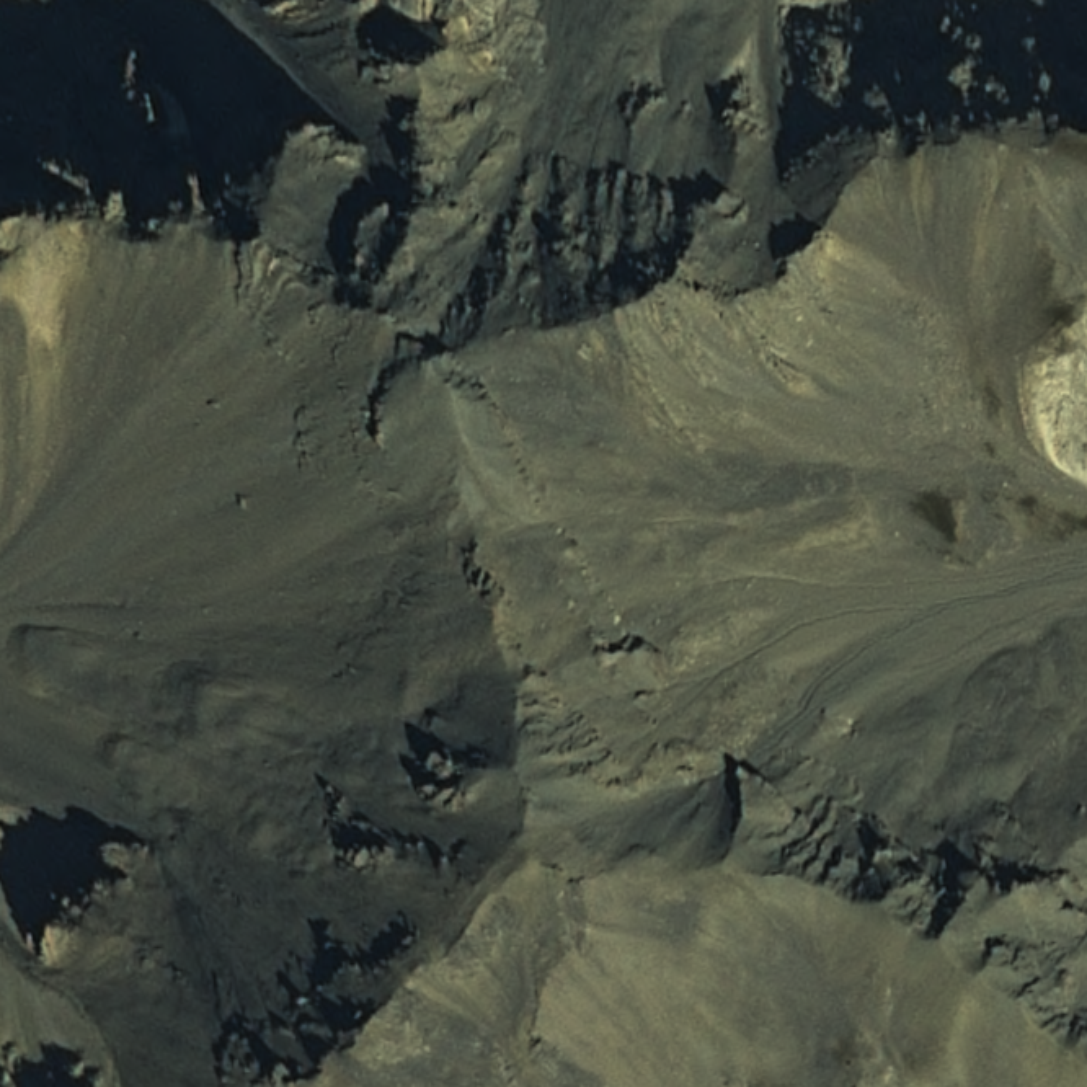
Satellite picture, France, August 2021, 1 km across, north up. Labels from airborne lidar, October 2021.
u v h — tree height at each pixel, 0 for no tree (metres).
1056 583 0
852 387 0
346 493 0
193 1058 0
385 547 0
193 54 0
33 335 0
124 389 0
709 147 0
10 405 0
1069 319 0
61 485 0
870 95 0
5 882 0
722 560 0
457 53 0
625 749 0
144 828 0
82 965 0
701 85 0
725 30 0
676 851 0
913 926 0
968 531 0
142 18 0
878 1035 0
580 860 0
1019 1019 0
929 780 0
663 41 0
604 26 0
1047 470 0
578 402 0
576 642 0
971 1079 0
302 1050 0
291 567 0
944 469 0
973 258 0
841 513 0
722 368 0
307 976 0
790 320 0
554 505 0
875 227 0
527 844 0
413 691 0
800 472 0
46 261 0
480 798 0
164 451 0
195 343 0
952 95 0
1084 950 0
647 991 0
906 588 0
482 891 0
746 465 0
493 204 0
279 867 0
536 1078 0
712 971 0
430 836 0
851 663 0
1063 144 0
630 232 0
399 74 0
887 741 0
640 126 0
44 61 0
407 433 0
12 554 0
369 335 0
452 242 0
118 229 0
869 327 0
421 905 0
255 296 0
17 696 0
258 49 0
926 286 0
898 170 0
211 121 0
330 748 0
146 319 0
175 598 0
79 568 0
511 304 0
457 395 0
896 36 10
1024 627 0
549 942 0
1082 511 0
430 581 0
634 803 0
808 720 0
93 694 0
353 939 0
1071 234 0
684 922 0
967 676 0
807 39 0
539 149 0
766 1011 0
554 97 0
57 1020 0
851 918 0
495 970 0
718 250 0
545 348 0
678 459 0
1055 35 0
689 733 0
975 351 0
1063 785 0
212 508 0
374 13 0
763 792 0
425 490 0
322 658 0
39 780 0
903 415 0
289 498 0
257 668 0
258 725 0
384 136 0
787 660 0
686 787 0
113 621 0
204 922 0
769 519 0
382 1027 0
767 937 0
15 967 0
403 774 0
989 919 0
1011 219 0
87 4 0
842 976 0
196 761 0
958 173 0
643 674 0
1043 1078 0
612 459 0
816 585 0
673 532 0
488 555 0
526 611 0
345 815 0
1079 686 0
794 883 0
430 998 0
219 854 0
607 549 0
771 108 0
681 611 0
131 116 0
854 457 0
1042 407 0
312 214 0
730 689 0
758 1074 0
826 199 0
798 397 0
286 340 0
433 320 0
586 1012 0
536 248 0
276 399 0
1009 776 0
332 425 0
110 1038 0
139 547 0
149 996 0
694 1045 0
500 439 0
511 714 0
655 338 0
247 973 0
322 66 0
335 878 0
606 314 0
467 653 0
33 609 0
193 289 0
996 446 0
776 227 0
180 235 0
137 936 0
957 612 0
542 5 0
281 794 0
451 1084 0
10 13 0
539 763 0
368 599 0
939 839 0
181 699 0
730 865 0
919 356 0
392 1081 0
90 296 0
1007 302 0
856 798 0
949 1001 0
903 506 0
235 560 0
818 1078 0
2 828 0
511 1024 0
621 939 0
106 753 0
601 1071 0
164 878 0
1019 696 0
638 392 0
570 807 0
